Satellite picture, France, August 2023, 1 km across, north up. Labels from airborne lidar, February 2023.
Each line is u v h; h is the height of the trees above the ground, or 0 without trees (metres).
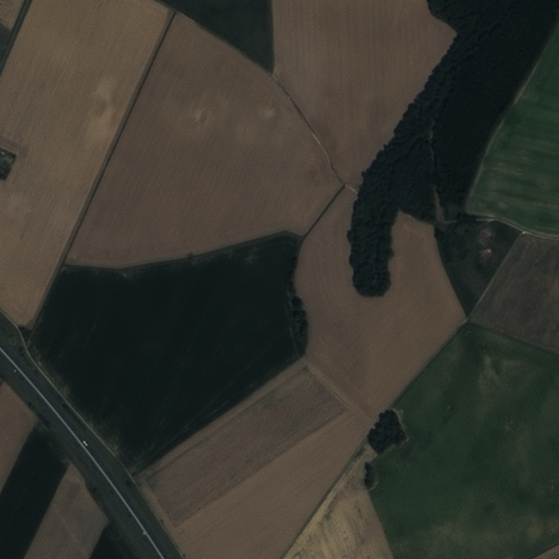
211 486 0
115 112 0
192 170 0
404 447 0
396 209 9
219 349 0
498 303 0
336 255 0
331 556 0
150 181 0
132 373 0
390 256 16
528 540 0
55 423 0
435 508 0
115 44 0
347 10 0
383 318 0
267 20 0
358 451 0
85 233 0
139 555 0
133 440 0
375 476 0
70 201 0
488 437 0
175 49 0
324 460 0
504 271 0
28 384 0
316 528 0
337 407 0
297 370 0
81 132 0
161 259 0
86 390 0
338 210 0
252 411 0
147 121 0
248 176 0
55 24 0
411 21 0
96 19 0
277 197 0
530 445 0
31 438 0
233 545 0
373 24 0
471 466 0
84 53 0
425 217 12
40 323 0
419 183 17
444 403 0
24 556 0
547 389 0
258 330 0
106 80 0
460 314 0
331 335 0
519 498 0
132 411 0
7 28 0
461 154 13
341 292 0
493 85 14
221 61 0
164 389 0
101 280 0
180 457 0
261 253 0
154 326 0
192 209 0
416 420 0
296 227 0
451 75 11
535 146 0
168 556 0
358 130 0
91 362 0
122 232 0
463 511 0
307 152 0
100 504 0
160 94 0
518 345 0
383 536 0
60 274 0
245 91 0
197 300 0
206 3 0
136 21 0
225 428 0
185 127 0
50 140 0
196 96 0
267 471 0
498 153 0
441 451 0
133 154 0
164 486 0
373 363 0
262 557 0
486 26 15
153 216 0
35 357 0
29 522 0
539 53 10
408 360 0
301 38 0
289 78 0
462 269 0
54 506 0
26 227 0
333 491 0
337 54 0
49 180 0
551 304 0
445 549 0
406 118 12
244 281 0
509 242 0
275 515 0
